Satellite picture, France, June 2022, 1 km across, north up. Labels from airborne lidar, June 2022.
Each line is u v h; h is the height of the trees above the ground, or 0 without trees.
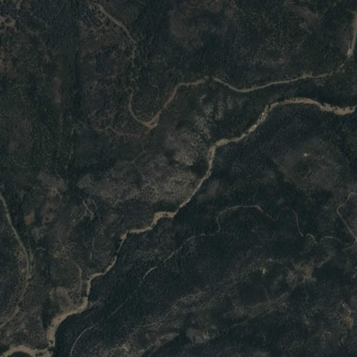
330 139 8
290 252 6
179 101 6
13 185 10
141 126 6
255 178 6
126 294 7
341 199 0
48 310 6
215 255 9
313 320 0
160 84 6
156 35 7
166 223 0
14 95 6
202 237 8
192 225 7
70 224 0
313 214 6
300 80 11
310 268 0
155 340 0
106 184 0
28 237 7
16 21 9
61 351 11
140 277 6
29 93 8
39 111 9
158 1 8
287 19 6
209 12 6
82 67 0
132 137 0
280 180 7
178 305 6
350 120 9
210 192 0
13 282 8
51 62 6
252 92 11
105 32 9
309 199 6
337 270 6
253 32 6
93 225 5
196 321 6
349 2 7
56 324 0
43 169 6
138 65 9
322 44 11
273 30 7
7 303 9
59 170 9
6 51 7
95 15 6
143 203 6
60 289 0
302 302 6
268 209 7
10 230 7
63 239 0
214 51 6
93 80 0
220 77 7
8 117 7
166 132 0
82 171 5
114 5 0
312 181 0
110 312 6
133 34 10
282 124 8
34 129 10
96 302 6
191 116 0
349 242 9
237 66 6
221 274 6
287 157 0
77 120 6
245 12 5
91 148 0
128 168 0
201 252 7
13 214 12
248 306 0
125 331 7
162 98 8
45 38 6
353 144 6
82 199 10
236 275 7
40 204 0
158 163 0
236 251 7
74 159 8
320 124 6
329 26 6
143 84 11
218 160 0
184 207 9
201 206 7
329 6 9
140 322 7
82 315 8
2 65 0
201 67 11
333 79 9
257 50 9
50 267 6
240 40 8
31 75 8
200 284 7
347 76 8
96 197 7
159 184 0
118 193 0
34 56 7
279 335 9
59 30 8
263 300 0
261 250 6
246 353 6
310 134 8
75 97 9
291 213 6
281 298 0
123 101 8
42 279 7
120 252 10
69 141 6
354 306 0
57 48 6
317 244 6
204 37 6
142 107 8
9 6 14
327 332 0
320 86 6
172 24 0
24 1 12
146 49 9
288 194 7
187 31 0
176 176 0
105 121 6
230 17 0
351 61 11
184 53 6
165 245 7
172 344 6
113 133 7
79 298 10
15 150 6
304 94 6
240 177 5
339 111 0
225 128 9
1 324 7
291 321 6
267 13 7
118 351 0
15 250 6
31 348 0
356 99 8
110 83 7
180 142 0
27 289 6
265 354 0
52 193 0
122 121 7
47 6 7
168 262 7
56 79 0
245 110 7
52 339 0
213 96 8
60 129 7
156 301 9
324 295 6
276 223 7
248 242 6
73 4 8
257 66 6
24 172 7
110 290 10
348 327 0
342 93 9
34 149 8
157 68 7
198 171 6
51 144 8
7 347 6
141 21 9
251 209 7
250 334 6
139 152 0
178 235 8
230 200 7
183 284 8
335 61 7
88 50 0
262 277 6
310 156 0
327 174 0
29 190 8
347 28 8
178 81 8
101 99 5
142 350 0
